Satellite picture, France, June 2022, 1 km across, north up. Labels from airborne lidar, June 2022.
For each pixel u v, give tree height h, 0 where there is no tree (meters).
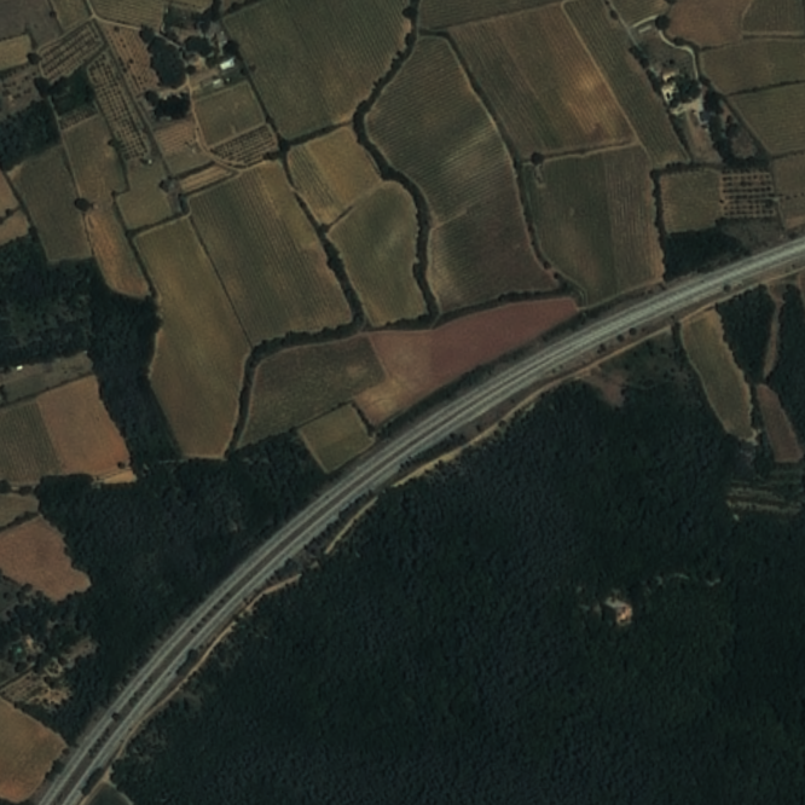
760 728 11
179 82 11
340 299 0
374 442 0
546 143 0
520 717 8
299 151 0
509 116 0
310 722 12
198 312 0
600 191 0
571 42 0
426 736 10
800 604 9
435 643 12
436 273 0
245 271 0
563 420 10
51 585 0
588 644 13
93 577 11
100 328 13
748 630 16
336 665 13
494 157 0
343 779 13
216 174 0
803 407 6
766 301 8
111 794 0
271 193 0
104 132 0
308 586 8
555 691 18
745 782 9
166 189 11
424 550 17
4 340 9
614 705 11
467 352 0
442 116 0
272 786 6
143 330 13
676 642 14
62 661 10
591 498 12
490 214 0
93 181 0
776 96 0
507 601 11
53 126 10
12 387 0
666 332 0
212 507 14
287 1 0
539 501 14
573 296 0
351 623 12
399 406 0
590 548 12
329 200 0
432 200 0
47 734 0
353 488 0
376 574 10
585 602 6
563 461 13
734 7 0
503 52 0
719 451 16
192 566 15
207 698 7
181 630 0
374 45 0
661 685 10
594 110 0
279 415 0
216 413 0
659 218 6
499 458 14
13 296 7
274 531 7
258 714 9
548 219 0
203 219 0
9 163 14
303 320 0
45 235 0
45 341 11
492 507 6
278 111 0
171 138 0
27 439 0
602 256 0
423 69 0
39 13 0
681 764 11
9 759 0
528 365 0
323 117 0
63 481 13
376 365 0
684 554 6
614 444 13
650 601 8
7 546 0
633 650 13
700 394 8
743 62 0
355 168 0
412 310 0
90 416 0
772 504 6
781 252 0
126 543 11
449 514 12
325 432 0
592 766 18
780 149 0
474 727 15
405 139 0
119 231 0
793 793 17
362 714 9
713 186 0
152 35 10
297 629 11
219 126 0
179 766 5
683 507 16
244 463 12
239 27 0
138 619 11
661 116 0
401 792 7
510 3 0
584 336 0
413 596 17
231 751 6
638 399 8
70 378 0
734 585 14
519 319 0
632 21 0
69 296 6
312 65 0
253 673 10
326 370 0
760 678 16
